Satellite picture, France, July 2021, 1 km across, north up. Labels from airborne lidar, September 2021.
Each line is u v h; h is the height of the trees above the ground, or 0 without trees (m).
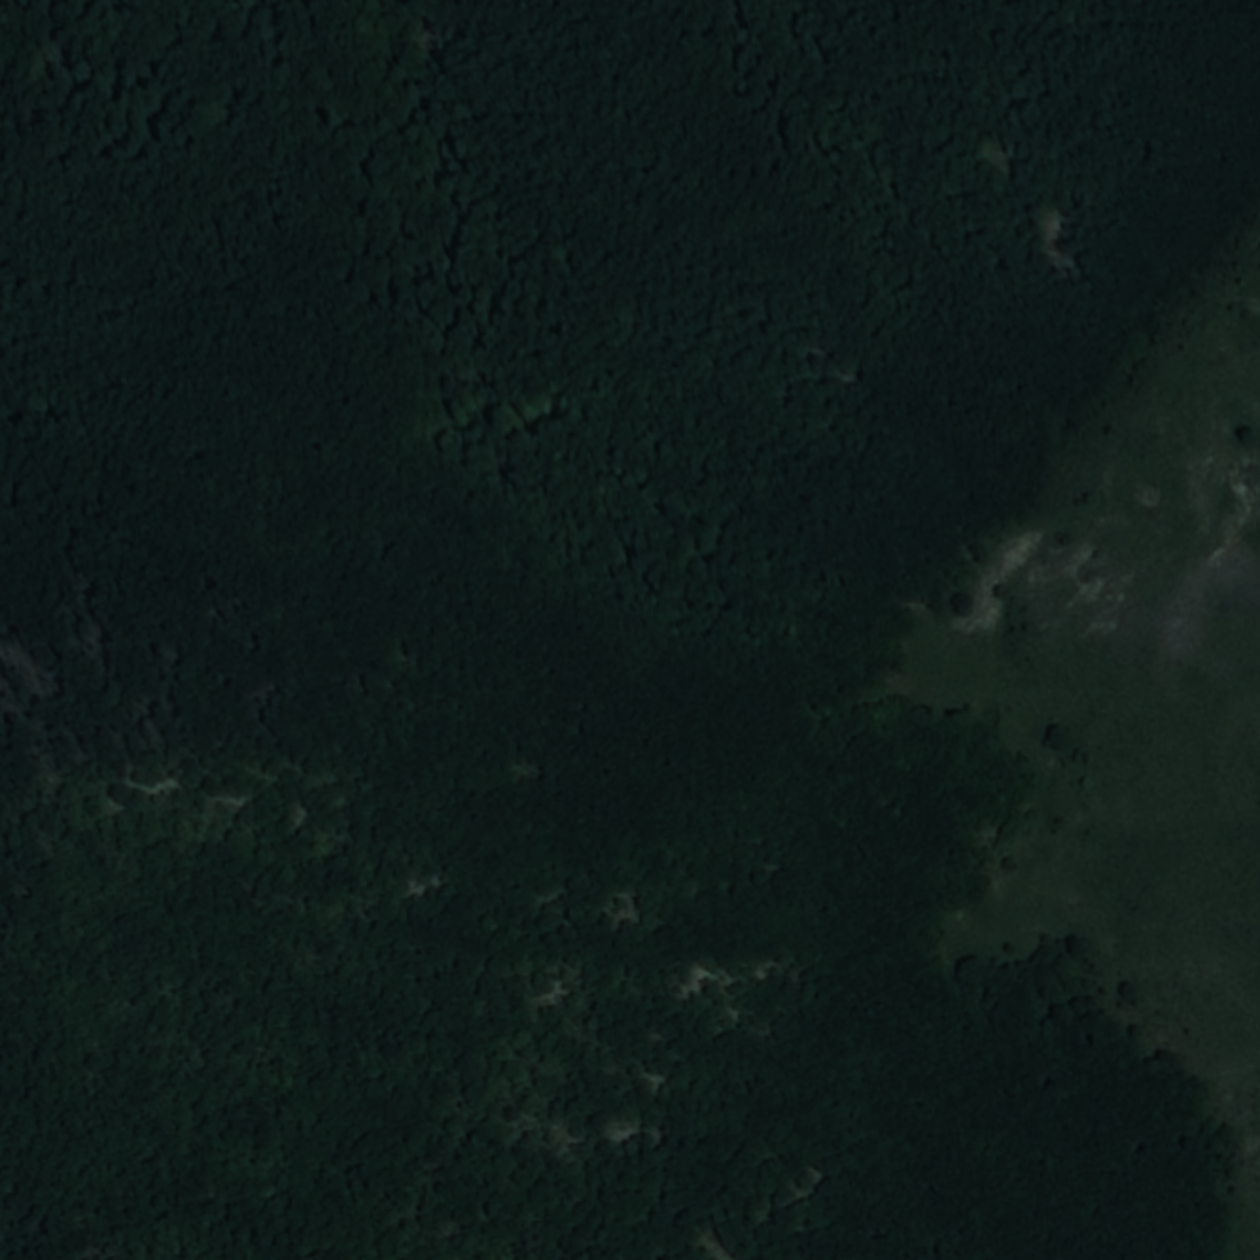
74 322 26
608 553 26
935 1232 22
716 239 19
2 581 26
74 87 16
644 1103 19
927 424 20
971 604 16
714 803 14
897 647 19
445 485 19
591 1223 15
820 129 33
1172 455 0
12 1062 12
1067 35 23
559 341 23
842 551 17
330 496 19
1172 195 18
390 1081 17
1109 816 0
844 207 25
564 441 24
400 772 14
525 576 18
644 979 11
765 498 19
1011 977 20
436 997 22
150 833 11
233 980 14
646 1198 16
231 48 35
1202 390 0
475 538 22
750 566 22
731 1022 11
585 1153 17
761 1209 12
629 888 14
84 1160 19
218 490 20
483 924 15
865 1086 22
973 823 13
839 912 18
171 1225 17
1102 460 0
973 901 18
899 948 23
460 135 29
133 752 11
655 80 31
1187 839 0
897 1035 22
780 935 17
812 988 14
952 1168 26
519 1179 16
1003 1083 21
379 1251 12
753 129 36
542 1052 15
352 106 39
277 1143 13
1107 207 11
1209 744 0
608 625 17
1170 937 0
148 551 27
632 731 22
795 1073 20
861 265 23
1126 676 0
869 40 23
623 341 24
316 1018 14
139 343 24
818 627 20
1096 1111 21
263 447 27
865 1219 22
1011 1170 23
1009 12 20
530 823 18
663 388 22
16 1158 16
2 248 23
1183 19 19
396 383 29
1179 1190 19
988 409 25
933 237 20
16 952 19
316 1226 17
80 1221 21
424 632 13
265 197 31
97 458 28
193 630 17
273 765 12
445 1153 16
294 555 17
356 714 13
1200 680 0
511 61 12
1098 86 20
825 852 16
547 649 17
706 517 21
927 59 23
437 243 31
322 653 17
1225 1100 0
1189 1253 20
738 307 16
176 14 35
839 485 19
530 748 14
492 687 13
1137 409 0
